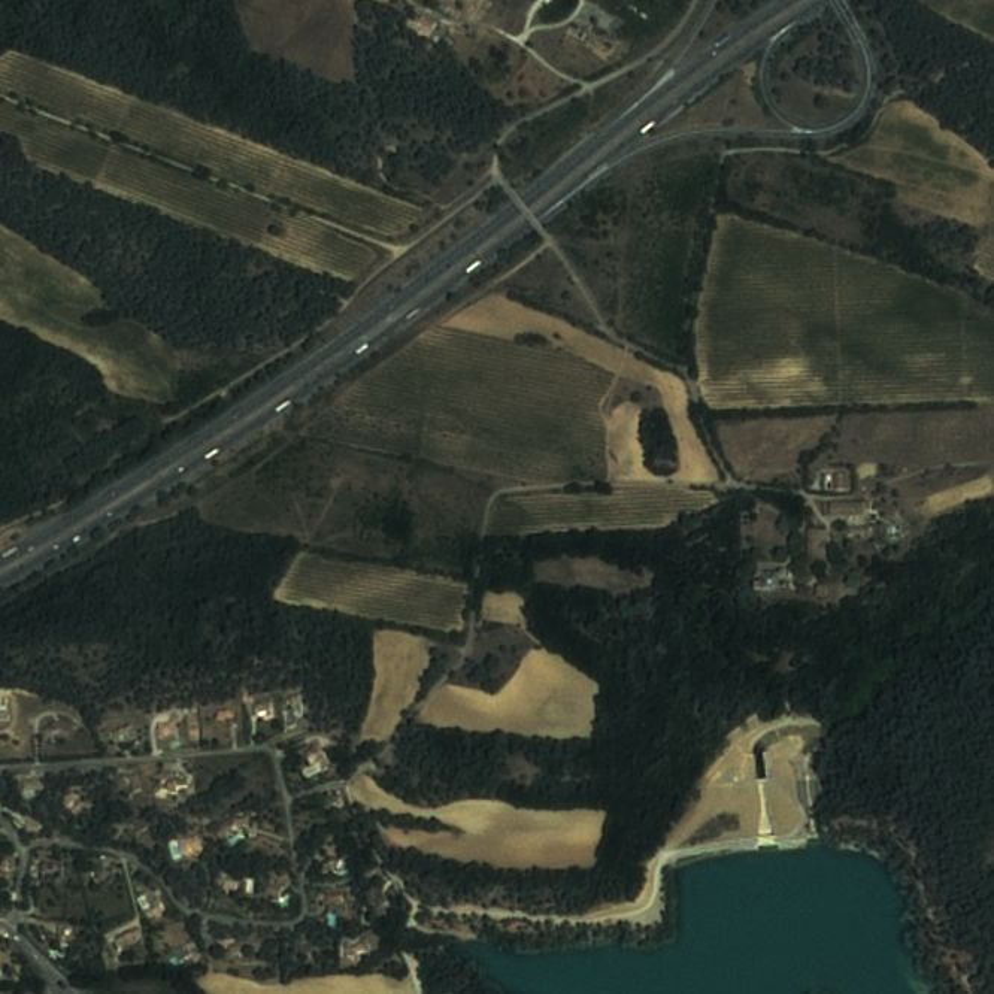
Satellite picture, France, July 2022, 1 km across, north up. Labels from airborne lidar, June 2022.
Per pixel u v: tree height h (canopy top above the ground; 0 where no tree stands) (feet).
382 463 0
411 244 0
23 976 29
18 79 0
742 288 0
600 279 0
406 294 0
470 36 29
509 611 0
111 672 27
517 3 0
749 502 20
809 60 32
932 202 0
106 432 29
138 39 49
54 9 45
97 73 41
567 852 0
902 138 0
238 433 0
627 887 22
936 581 54
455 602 0
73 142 0
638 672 29
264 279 39
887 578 35
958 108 42
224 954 33
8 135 41
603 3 0
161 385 0
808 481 22
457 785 36
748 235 0
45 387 40
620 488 0
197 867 41
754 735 0
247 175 0
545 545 66
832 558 38
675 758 48
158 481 0
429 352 0
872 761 46
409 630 20
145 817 43
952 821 27
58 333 0
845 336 0
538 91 0
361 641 30
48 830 33
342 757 29
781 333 0
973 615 34
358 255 0
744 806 0
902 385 0
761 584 0
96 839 44
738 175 26
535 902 34
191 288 42
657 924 29
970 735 40
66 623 43
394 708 0
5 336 33
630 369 0
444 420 0
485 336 0
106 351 0
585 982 0
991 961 34
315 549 21
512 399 0
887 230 22
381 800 0
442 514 0
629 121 0
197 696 44
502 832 0
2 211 53
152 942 32
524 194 0
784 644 35
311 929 41
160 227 39
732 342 0
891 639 56
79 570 35
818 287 0
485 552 33
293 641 36
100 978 27
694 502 0
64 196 43
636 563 36
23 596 27
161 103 42
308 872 25
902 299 0
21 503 33
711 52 0
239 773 42
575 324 23
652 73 0
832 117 0
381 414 0
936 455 0
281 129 31
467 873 33
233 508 0
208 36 51
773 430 0
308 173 0
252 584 31
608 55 0
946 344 0
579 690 0
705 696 22
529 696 0
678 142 0
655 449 32
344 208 0
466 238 0
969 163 0
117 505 0
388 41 38
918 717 39
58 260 43
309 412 0
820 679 45
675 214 19
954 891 49
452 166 53
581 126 0
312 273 28
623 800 34
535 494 0
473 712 0
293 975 30
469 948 0
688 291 30
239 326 53
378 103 29
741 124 0
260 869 59
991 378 0
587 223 27
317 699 23
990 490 0
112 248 36
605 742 24
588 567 0
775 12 0
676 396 0
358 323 0
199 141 0
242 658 19
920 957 32
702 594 52
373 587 0
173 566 43
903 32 46
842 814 33
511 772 29
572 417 0
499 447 0
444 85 48
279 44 0
